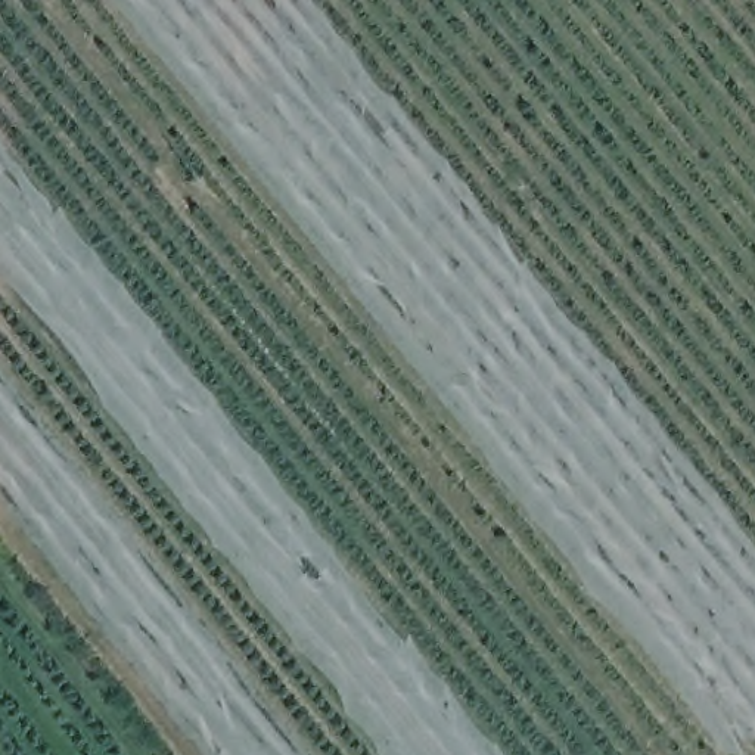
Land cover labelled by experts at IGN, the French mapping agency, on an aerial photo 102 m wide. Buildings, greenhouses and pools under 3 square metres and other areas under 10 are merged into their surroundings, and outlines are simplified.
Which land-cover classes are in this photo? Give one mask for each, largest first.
<instances>
[{"label":"deciduous trees","instance_id":"1","mask_svg":"<svg viewBox=\"0 0 755 755\"><path fill-rule=\"evenodd\" d=\"M206 115L195 106V97L174 80L168 65L156 53L130 41L118 18L103 6V0H0V130L27 162V171L35 180V186L68 212L77 233L100 254L106 268L118 280H124V286L159 324L174 351L192 366L198 380L209 386V392L218 398L221 410L233 419L239 434L268 460L280 484L307 507L310 519L336 546L348 566H354L378 590L380 602L386 605V625L398 637H413L419 652L431 661L434 672L442 675L451 684V690L463 699V708L475 728L484 737L495 740L504 749V755H717V749L705 740L702 726L690 714L687 702L678 699L667 675H661L658 664L646 655L643 643L625 637L622 625L602 613L593 605V599L578 587V581L560 566L557 546L546 534H537L525 510L507 498V490L481 460V451L475 445H466L469 431L422 383V375L375 324L369 310L351 292L348 280L339 271L327 268L319 248L280 206V201L268 195L260 177L251 171V165L242 156H236L233 145L227 139L215 142L209 136V130L203 127ZM156 165L168 168L171 174L177 171L183 180L201 177L215 192L218 203L203 209L195 198H186L189 209L177 215L153 183ZM330 18L336 32L357 50L372 80L398 100V106L413 118V124L425 133L434 150L442 159H448V165L469 186L487 218L501 227L516 257L528 262L537 280L563 307L569 321H575L590 336V342L605 354V360L616 366L622 380L652 410L667 436L711 484V490L723 498L731 516L755 537V0H313ZM0 354L9 360L12 375L32 389L38 404L68 434L74 448L88 463L91 475L112 493V498H118L121 510L130 513L145 540L156 546V552L177 572V578H183L186 590L195 593V599L212 616V622L221 628L230 646L242 652L248 667L257 669L260 681L277 696L286 714L298 723V731L321 755H375V746L369 740H360L351 723L342 717V696L336 684L310 658H295L289 652V634L254 599L248 578L224 554L212 552L203 528L180 510L174 493L136 451L127 431H121L115 419L100 416V404L88 375L56 336V330L35 316V310L21 295L6 304V298L0 295ZM15 581L44 613V622L29 625L27 616L18 613V608L9 605L6 581L0 578V755H171V749L153 731V726L139 714L133 696L80 640L77 628L53 605L50 593L24 572L18 557H9Z\"/></svg>","mask_w":755,"mask_h":755},{"label":"herbaceous vegetation","instance_id":"2","mask_svg":"<svg viewBox=\"0 0 755 755\"><path fill-rule=\"evenodd\" d=\"M103 6L118 18L130 41L156 53L168 65L174 80L195 97V106L206 115L203 127L209 130V136L215 142L227 139L233 145L236 156H242L251 165V171L260 177L268 195L280 201V206L319 248L327 268L339 271L348 280L351 292L369 310L375 324L422 375V383L469 431L466 445H475L481 451V460L507 490V498L525 510L537 534H546L557 546L560 566L578 581V587L593 599V605L602 613L622 625L625 637L643 643L646 655L658 664L661 675H667L678 699L687 702L690 714L702 726L705 740L717 749V755H755V537L731 516L723 498L711 490V484L667 436L652 410L622 380L616 366L605 360V354L590 342V336L575 321H569L563 307L537 280L528 262L516 257L501 227L487 218L469 186L448 165V159H442L434 150L425 133L413 124V118L398 106V100L372 80L357 50L336 32L330 18L313 0H103ZM0 295L6 298V304L21 295L35 310V316L56 330V336L88 375L100 404V416L115 419L121 431H127L136 451L174 493L180 510L203 528L212 552L224 554L248 578L254 599L289 634V652L295 658H310L336 684L342 696V717L351 723L360 740H369L375 746V755H504V749L495 740L484 737L475 728L463 708V699L451 690V684L442 675L434 672L431 661L419 652L413 637H398L386 625V605L380 602L378 590L354 566H348L336 546L310 519L307 507L280 484L268 460L239 434L233 419L221 410L218 398L209 392V386L198 380L192 366L174 351L159 324L124 286V280H118L106 268L100 254L77 233L68 212L35 186V180L27 171V162L0 130ZM153 183L177 215L189 209L186 198H195L203 209L218 203L215 192L201 177L183 180L177 171L171 174L168 168L156 165ZM18 557L24 572L50 593L53 605L77 628L80 640L133 696L139 714L153 726V731L171 749V755H321L298 731V723L286 714L277 696L260 681L257 669L248 667L242 652L230 646L221 628L212 622V616L195 599V593L186 590L183 578H177V572L156 552V546L145 540L130 513L121 510L118 498H112V493L91 475L88 463L74 448L68 434L38 404L32 389L12 375L9 360L0 354V578L6 581L9 605L18 608V613L27 616L29 625L44 622V613L15 581L9 557Z\"/></svg>","mask_w":755,"mask_h":755}]
</instances>
